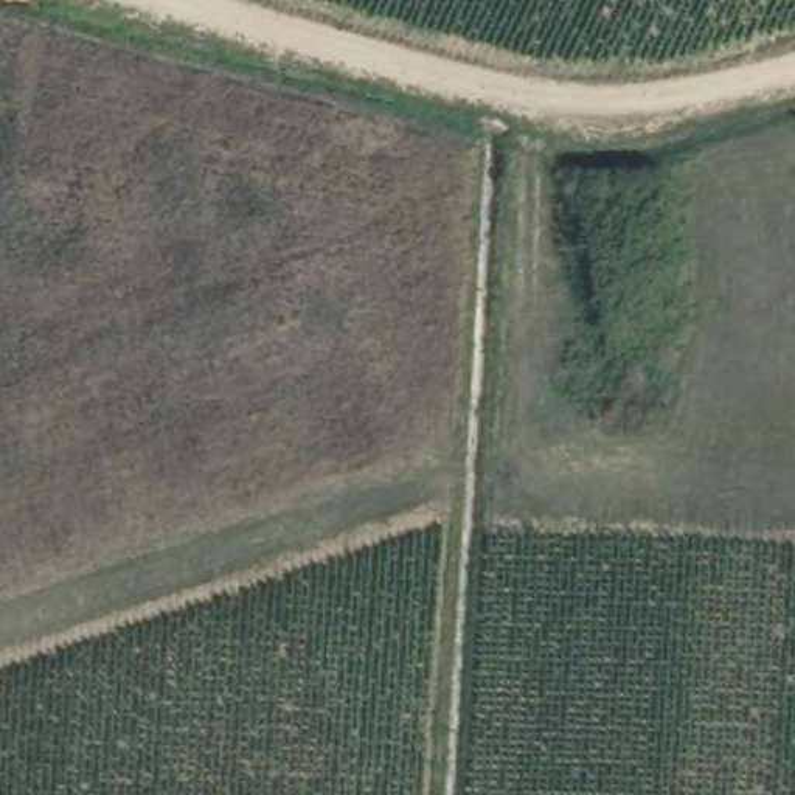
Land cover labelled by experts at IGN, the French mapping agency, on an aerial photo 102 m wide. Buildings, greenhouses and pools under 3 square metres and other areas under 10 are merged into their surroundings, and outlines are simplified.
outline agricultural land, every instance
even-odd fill
[[[283,578],[292,568],[326,562],[360,547],[373,547],[404,531],[441,522],[460,528],[472,382],[478,205],[481,180],[491,177],[491,168],[484,165],[484,146],[475,140],[481,121],[453,124],[425,115],[407,115],[388,102],[366,99],[360,93],[314,87],[307,84],[307,78],[295,78],[289,71],[279,81],[267,81],[261,68],[227,65],[224,59],[211,59],[205,68],[158,62],[158,50],[152,50],[146,40],[118,37],[109,28],[87,28],[47,12],[34,12],[28,0],[0,0],[0,668],[53,652],[87,637],[109,634],[134,621],[155,618],[161,612],[183,609],[189,602],[236,593],[270,578]]]

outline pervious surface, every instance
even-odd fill
[[[416,93],[475,102],[506,109],[531,121],[540,118],[553,130],[578,134],[581,140],[593,143],[593,149],[606,149],[615,137],[624,134],[655,134],[668,124],[696,115],[736,109],[742,99],[776,102],[795,96],[795,53],[674,81],[559,84],[543,78],[519,78],[447,62],[438,56],[335,31],[329,25],[283,16],[242,0],[109,0],[118,6],[137,6],[143,16],[155,22],[183,22],[196,31],[220,34],[267,56],[295,53],[298,59],[317,59],[354,78],[382,78]]]

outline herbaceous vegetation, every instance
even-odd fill
[[[705,146],[674,168],[689,183],[689,202],[696,217],[689,233],[696,264],[683,283],[699,311],[699,332],[689,338],[689,351],[680,366],[680,404],[661,425],[652,425],[646,419],[643,432],[630,444],[624,441],[624,435],[606,435],[602,429],[596,429],[593,419],[581,413],[581,407],[550,391],[547,382],[547,363],[559,354],[559,338],[553,335],[553,320],[559,311],[547,301],[543,279],[559,270],[559,261],[553,255],[553,242],[547,233],[550,199],[543,171],[562,152],[593,149],[593,143],[581,140],[578,134],[553,130],[540,118],[531,121],[506,109],[475,102],[481,121],[475,140],[484,146],[484,165],[491,168],[491,177],[481,180],[478,205],[472,382],[460,528],[460,562],[466,565],[472,534],[500,528],[534,528],[540,534],[699,534],[795,543],[795,124],[773,127],[758,137]]]

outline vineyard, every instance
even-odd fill
[[[438,56],[447,62],[519,78],[543,78],[559,84],[674,81],[795,53],[795,0],[242,0],[283,16],[329,25],[335,31]]]
[[[292,568],[283,578],[270,578],[236,593],[189,602],[183,609],[161,612],[155,618],[134,621],[109,634],[87,637],[53,652],[0,668],[0,795],[795,795],[795,543],[699,534],[540,534],[534,528],[500,528],[472,534],[466,565],[460,562],[460,528],[441,522],[404,531],[373,547],[360,547],[326,562]]]

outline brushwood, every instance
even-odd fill
[[[267,81],[279,81],[289,71],[295,78],[307,78],[307,84],[314,87],[360,93],[366,99],[388,102],[407,115],[425,115],[453,124],[481,121],[475,102],[416,93],[382,78],[354,78],[317,59],[298,59],[295,53],[267,56],[220,34],[196,31],[183,22],[155,22],[143,16],[137,6],[118,6],[109,0],[28,0],[34,12],[47,12],[87,28],[109,28],[118,37],[146,40],[152,50],[158,50],[158,62],[205,68],[211,59],[224,59],[227,65],[261,68]]]
[[[795,96],[776,102],[742,99],[736,109],[696,115],[668,124],[655,134],[624,134],[615,137],[606,149],[593,149],[562,152],[543,171],[550,199],[547,233],[553,242],[553,255],[559,261],[559,270],[543,279],[547,301],[559,311],[553,320],[553,335],[559,338],[559,354],[547,363],[547,382],[550,391],[581,407],[581,413],[593,419],[596,429],[602,429],[606,435],[624,435],[624,441],[630,444],[643,432],[646,419],[652,425],[661,425],[680,404],[680,366],[689,351],[689,338],[699,332],[699,311],[683,283],[696,264],[689,233],[696,217],[689,202],[689,183],[674,168],[705,146],[758,137],[773,127],[795,124]]]

